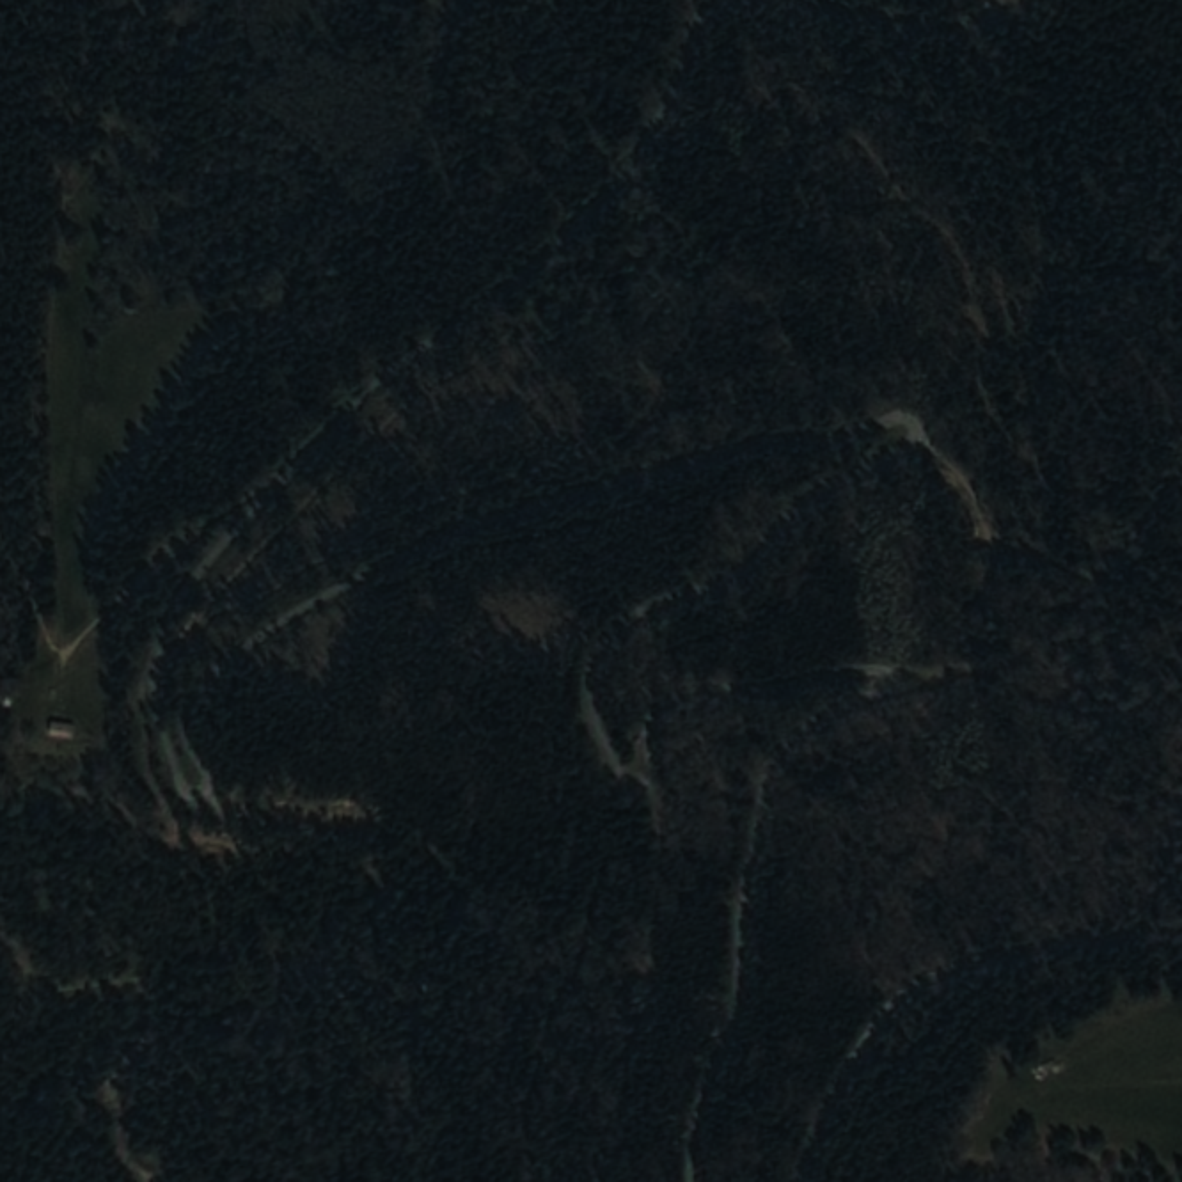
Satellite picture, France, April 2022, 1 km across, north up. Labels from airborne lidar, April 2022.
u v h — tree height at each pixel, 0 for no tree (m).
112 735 14
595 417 21
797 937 15
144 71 31
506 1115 26
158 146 17
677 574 24
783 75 25
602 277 20
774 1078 12
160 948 30
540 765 20
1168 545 21
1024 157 23
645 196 17
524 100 23
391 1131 22
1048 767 18
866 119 20
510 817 21
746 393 19
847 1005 11
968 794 17
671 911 16
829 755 13
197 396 28
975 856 13
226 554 0
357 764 25
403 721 19
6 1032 29
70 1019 32
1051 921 19
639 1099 22
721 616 17
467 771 22
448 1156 16
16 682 26
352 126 25
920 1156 16
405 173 32
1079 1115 0
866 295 19
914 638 17
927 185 21
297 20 10
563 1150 20
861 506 16
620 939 24
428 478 22
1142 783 19
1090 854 13
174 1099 38
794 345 17
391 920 28
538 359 29
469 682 22
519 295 24
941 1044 19
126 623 27
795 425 19
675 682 17
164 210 17
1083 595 18
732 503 23
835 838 13
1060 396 26
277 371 27
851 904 11
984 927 11
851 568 14
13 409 31
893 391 23
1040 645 19
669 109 16
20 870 38
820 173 19
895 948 11
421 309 25
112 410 0
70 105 32
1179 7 27
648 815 29
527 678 20
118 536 27
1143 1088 0
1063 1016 24
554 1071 22
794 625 17
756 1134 16
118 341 0
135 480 30
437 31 22
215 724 22
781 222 20
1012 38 27
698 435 13
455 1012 26
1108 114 29
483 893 25
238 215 28
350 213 31
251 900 34
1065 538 22
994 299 27
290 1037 36
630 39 27
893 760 15
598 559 24
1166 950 21
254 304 19
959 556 22
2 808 34
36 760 10
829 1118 14
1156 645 16
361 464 24
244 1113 18
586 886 26
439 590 24
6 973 35
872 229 21
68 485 0
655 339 23
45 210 30
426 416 22
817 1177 24
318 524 0
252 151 24
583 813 23
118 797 14
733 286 22
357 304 27
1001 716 15
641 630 19
